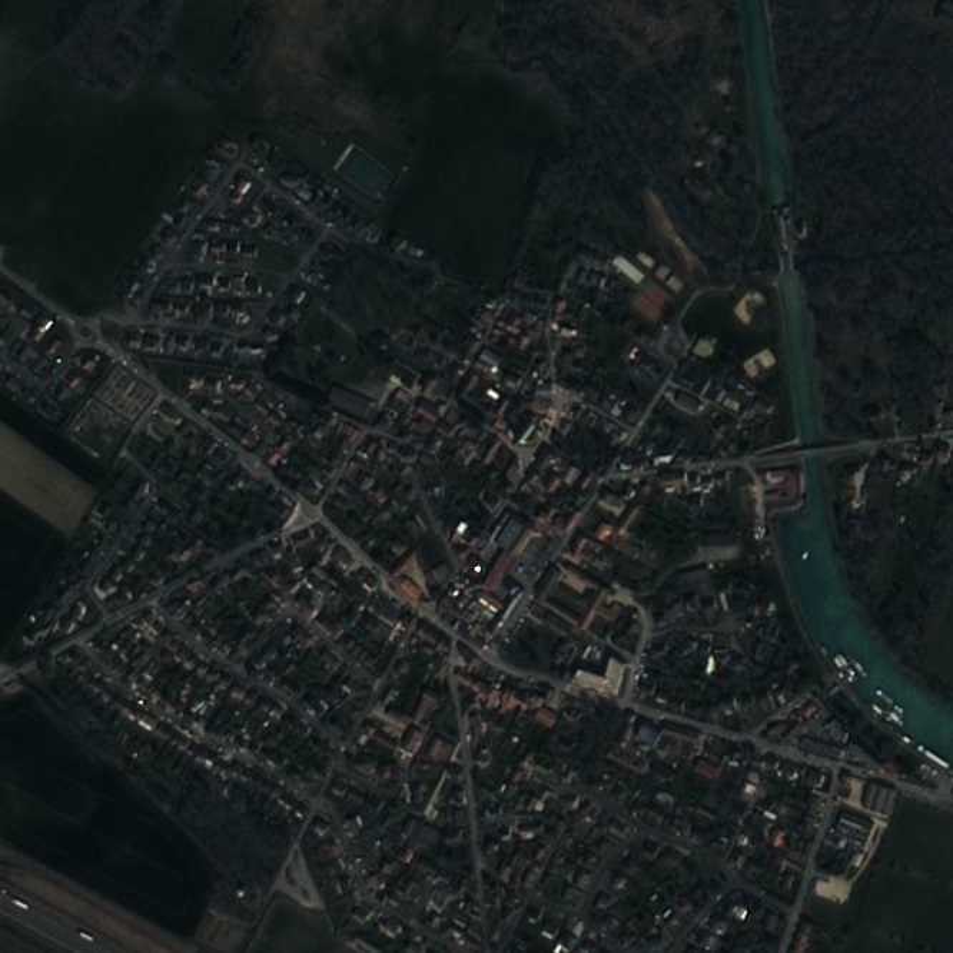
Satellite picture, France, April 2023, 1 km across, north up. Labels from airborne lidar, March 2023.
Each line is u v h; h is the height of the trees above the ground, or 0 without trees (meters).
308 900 0
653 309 0
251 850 21
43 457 0
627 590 0
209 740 0
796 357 0
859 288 27
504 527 0
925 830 0
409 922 0
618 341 0
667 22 30
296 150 0
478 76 0
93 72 21
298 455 6
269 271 0
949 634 0
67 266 0
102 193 0
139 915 0
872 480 7
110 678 0
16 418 0
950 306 26
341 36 0
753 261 14
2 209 0
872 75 23
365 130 0
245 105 0
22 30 0
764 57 0
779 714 0
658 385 0
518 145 0
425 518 0
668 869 0
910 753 0
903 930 0
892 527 12
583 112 23
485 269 0
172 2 21
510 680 6
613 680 0
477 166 0
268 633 0
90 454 0
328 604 0
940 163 24
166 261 0
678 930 0
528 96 0
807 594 0
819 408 0
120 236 0
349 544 0
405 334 20
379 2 0
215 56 0
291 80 0
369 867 0
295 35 0
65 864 0
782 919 8
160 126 0
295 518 0
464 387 11
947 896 0
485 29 0
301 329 0
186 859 0
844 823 0
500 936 0
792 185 0
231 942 0
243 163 0
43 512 0
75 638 0
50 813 0
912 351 22
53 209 0
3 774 0
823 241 12
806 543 0
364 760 0
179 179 0
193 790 12
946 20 0
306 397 13
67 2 0
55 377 0
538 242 0
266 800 11
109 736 7
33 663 0
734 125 0
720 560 0
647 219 25
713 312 0
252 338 0
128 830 0
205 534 8
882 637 14
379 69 0
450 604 0
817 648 0
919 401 19
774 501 0
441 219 0
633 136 24
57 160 0
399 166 0
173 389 0
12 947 0
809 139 19
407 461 0
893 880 0
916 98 23
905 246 14
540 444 0
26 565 0
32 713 0
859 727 10
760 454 0
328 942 0
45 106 0
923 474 10
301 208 0
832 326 26
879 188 28
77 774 0
